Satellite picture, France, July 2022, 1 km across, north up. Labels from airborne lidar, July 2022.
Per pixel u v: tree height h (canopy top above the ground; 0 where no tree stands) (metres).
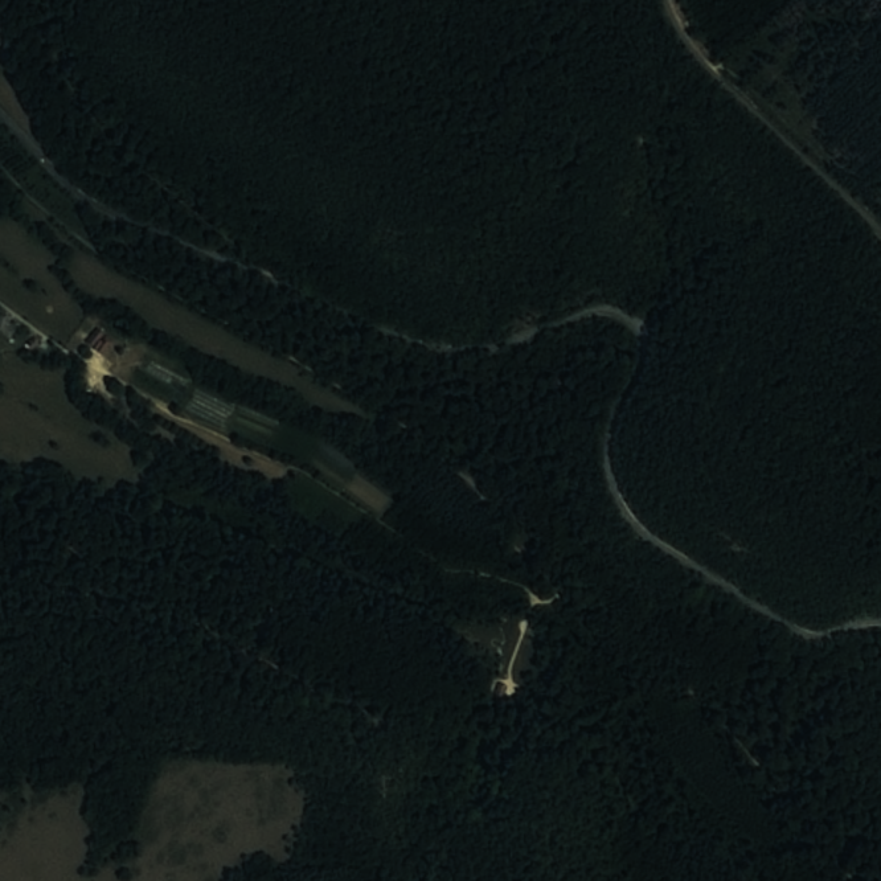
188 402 0
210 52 14
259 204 21
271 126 14
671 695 23
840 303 17
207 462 23
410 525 9
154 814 0
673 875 22
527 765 28
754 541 10
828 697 30
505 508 25
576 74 18
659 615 16
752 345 11
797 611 10
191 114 13
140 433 19
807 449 15
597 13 18
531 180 18
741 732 31
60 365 18
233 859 0
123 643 30
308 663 31
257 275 22
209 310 24
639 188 20
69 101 29
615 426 13
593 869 19
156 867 0
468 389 29
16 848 0
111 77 23
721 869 20
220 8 19
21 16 28
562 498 8
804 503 16
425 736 21
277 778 0
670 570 23
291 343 22
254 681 32
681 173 20
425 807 26
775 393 16
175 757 12
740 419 15
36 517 23
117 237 30
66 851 0
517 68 20
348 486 0
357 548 11
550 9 19
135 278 10
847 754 28
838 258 15
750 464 13
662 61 10
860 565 13
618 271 14
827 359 15
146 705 18
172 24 17
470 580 6
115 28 11
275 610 31
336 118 17
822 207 14
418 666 25
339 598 30
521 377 26
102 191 19
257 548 36
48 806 0
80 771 14
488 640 0
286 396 21
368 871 9
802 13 19
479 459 27
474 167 17
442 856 39
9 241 0
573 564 19
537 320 10
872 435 19
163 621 31
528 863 16
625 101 13
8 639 14
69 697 23
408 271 13
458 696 18
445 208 15
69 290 18
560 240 22
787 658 27
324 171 9
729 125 14
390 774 7
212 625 23
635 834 21
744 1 7
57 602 26
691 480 12
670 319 33
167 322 0
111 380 17
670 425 17
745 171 8
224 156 15
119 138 26
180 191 31
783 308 16
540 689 10
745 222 20
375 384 29
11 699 17
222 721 20
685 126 14
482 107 22
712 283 24
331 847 17
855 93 15
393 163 12
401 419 23
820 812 35
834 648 21
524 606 6
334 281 23
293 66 17
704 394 18
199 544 31
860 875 17
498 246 17
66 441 0
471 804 27
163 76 14
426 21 15
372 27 16
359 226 17
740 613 23
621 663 23
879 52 16
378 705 21
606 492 14
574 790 21
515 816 19
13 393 0
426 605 7
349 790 14
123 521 32
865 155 17
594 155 12
